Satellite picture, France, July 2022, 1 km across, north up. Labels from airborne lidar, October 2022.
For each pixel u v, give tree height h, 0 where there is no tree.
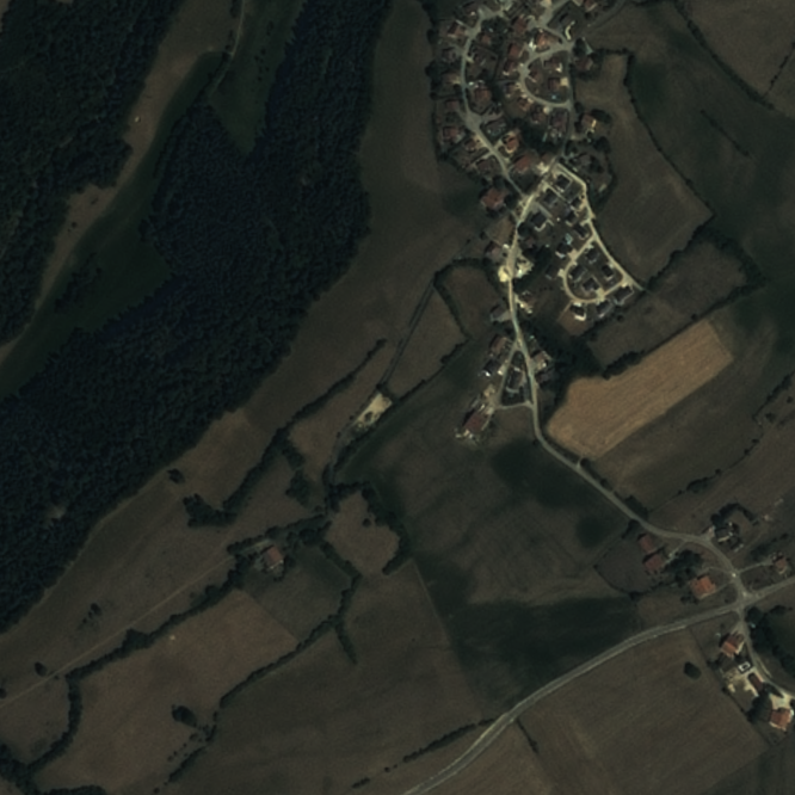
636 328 0
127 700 0
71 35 11
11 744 0
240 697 0
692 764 0
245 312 9
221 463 0
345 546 0
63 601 0
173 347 7
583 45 14
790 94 0
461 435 0
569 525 0
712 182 0
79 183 31
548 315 0
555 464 0
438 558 0
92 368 13
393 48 0
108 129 29
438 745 6
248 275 18
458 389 0
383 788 0
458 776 0
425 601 0
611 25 0
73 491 16
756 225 0
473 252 0
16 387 0
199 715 0
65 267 0
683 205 0
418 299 0
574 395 0
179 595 0
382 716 0
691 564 10
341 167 22
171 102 0
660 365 0
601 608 0
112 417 15
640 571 0
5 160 6
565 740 0
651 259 0
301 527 6
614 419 0
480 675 0
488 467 0
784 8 0
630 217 0
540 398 0
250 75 0
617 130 0
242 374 25
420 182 0
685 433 0
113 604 0
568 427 0
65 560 21
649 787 0
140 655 0
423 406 0
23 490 24
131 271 0
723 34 0
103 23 14
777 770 0
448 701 0
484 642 0
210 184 26
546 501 0
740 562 0
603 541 0
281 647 0
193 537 0
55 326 0
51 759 12
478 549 0
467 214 0
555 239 0
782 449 0
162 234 22
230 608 0
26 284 28
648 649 0
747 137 0
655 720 0
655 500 0
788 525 0
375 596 0
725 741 0
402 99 0
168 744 0
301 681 0
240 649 0
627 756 0
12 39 13
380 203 0
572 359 8
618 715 0
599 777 0
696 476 0
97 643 0
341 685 0
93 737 0
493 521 0
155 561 0
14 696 0
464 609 0
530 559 0
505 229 0
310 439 0
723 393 0
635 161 0
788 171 0
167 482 0
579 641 0
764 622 16
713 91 0
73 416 9
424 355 0
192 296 31
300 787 0
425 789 0
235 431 0
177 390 20
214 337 21
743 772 0
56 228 8
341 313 0
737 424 0
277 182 15
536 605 0
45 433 16
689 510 0
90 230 0
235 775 0
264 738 0
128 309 0
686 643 0
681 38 0
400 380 0
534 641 0
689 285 0
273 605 0
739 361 0
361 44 25
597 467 0
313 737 0
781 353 0
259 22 0
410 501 0
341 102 21
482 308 0
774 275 0
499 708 0
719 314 0
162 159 10
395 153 0
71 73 13
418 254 0
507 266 0
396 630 0
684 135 0
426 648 0
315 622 0
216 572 0
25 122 8
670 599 0
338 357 0
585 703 0
